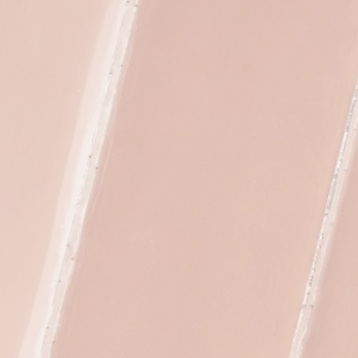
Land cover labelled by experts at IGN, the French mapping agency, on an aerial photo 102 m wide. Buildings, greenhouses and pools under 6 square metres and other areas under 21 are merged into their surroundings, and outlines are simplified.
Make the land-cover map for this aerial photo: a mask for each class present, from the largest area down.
<instances>
[{"label":"water","instance_id":"1","mask_svg":"<svg viewBox=\"0 0 358 358\"><path fill-rule=\"evenodd\" d=\"M112 0H0V358H18L45 266L50 236L55 224L57 200L73 144L89 64L94 55L103 17ZM126 55L117 81L115 101L110 110L105 140L95 168L94 185L85 211L76 262L64 295L59 327L53 338L50 358H288L296 322L301 312L306 278L312 266L317 238L326 211L331 179L337 178L334 168L341 140L344 131L350 130L355 106L351 99L355 94L358 77V0H138ZM301 358H358V127L350 165L345 171L343 190L338 201L336 220L331 229L326 259L320 273L316 301L312 305L308 331L302 341Z\"/></svg>","mask_w":358,"mask_h":358},{"label":"pervious surface","instance_id":"2","mask_svg":"<svg viewBox=\"0 0 358 358\"><path fill-rule=\"evenodd\" d=\"M138 0H112L103 17L94 55L89 64L73 144L57 200L55 224L50 236L45 266L18 358H50L53 338L59 327L64 295L76 262L85 211L94 185L95 168L105 140L110 110L115 101L117 81L126 55ZM355 106L350 130L344 131L341 140L334 168L337 178L331 179L326 211L317 238L312 266L306 278L301 312L296 322L288 358H301L302 341L308 331L312 305L316 301L320 273L326 259L331 229L336 220L338 201L343 190L345 171L350 165L358 127V77L355 94L351 99Z\"/></svg>","mask_w":358,"mask_h":358}]
</instances>
